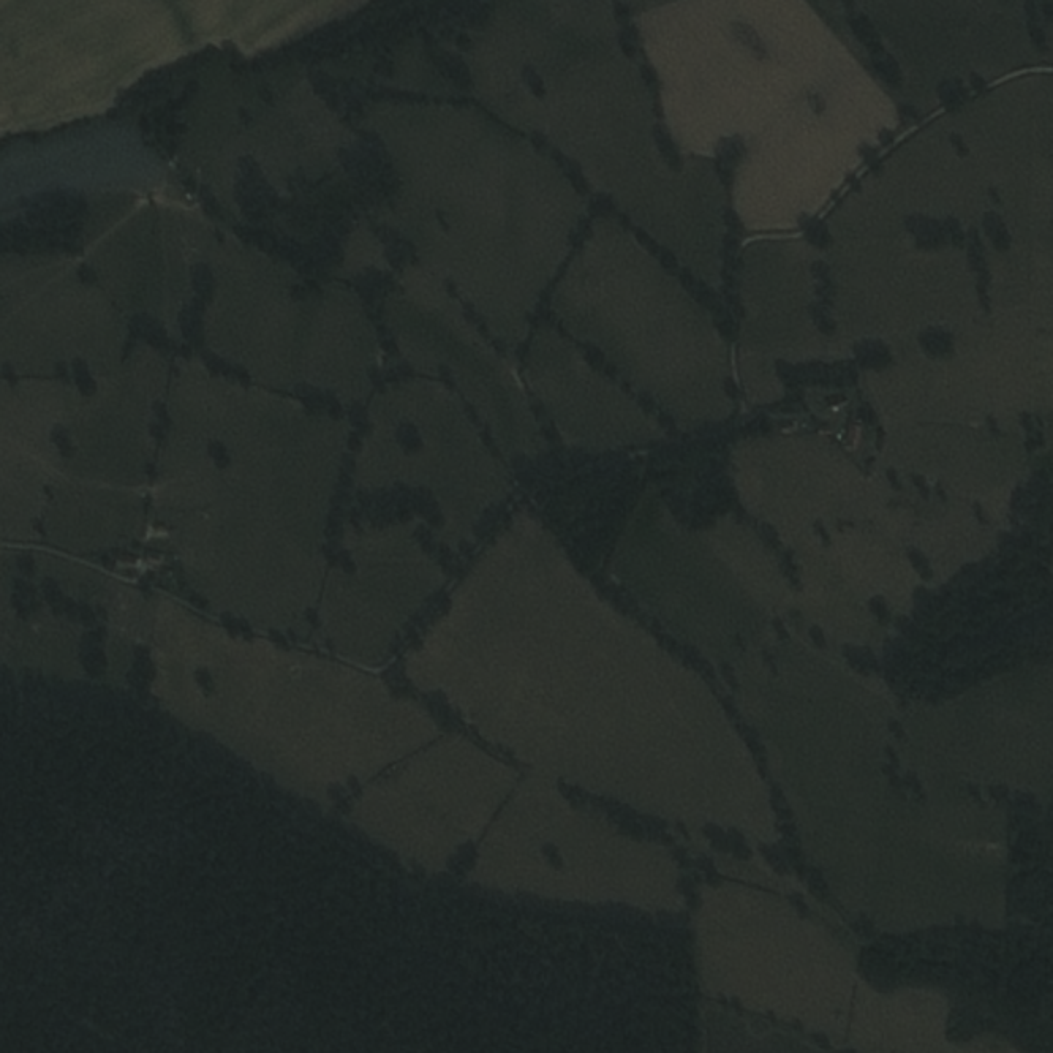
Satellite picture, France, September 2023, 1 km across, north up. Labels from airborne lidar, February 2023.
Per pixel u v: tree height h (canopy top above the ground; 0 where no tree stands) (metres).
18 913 26
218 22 0
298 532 0
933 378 0
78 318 0
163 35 0
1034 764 0
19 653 0
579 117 0
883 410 0
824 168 0
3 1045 32
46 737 29
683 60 0
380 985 31
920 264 0
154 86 16
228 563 0
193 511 0
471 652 0
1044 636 22
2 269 0
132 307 0
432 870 0
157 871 31
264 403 0
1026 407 0
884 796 0
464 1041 31
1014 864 7
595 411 0
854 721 0
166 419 15
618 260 0
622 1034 32
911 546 0
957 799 0
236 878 30
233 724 0
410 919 27
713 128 0
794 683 0
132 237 0
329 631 0
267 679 0
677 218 0
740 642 14
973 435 0
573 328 0
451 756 0
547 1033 30
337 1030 32
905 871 0
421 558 0
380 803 0
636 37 14
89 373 19
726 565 0
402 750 0
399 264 17
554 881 0
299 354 0
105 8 0
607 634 0
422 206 0
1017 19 0
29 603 16
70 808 27
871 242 0
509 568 0
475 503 0
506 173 0
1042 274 0
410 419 0
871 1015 0
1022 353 0
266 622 0
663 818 0
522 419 0
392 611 0
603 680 0
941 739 0
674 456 12
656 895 0
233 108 0
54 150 0
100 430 0
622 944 24
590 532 21
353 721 0
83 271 7
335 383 0
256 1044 25
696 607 0
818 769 0
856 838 0
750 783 0
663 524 0
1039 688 0
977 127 0
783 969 0
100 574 0
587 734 0
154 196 0
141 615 0
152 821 27
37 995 27
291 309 0
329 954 30
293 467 0
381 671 0
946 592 12
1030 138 0
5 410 0
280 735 0
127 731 31
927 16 0
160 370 0
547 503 22
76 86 0
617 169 0
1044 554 12
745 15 0
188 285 0
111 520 0
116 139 0
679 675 0
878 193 0
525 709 0
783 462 0
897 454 0
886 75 19
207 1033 25
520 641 0
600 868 0
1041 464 0
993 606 7
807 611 0
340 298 0
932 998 0
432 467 0
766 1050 0
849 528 0
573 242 12
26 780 29
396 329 0
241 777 21
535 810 0
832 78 0
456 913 21
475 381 0
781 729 0
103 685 0
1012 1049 0
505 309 0
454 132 0
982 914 0
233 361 0
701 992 11
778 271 0
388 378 14
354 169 18
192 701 0
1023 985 22
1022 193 0
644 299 0
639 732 0
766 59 0
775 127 0
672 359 0
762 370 0
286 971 28
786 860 17
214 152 0
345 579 0
